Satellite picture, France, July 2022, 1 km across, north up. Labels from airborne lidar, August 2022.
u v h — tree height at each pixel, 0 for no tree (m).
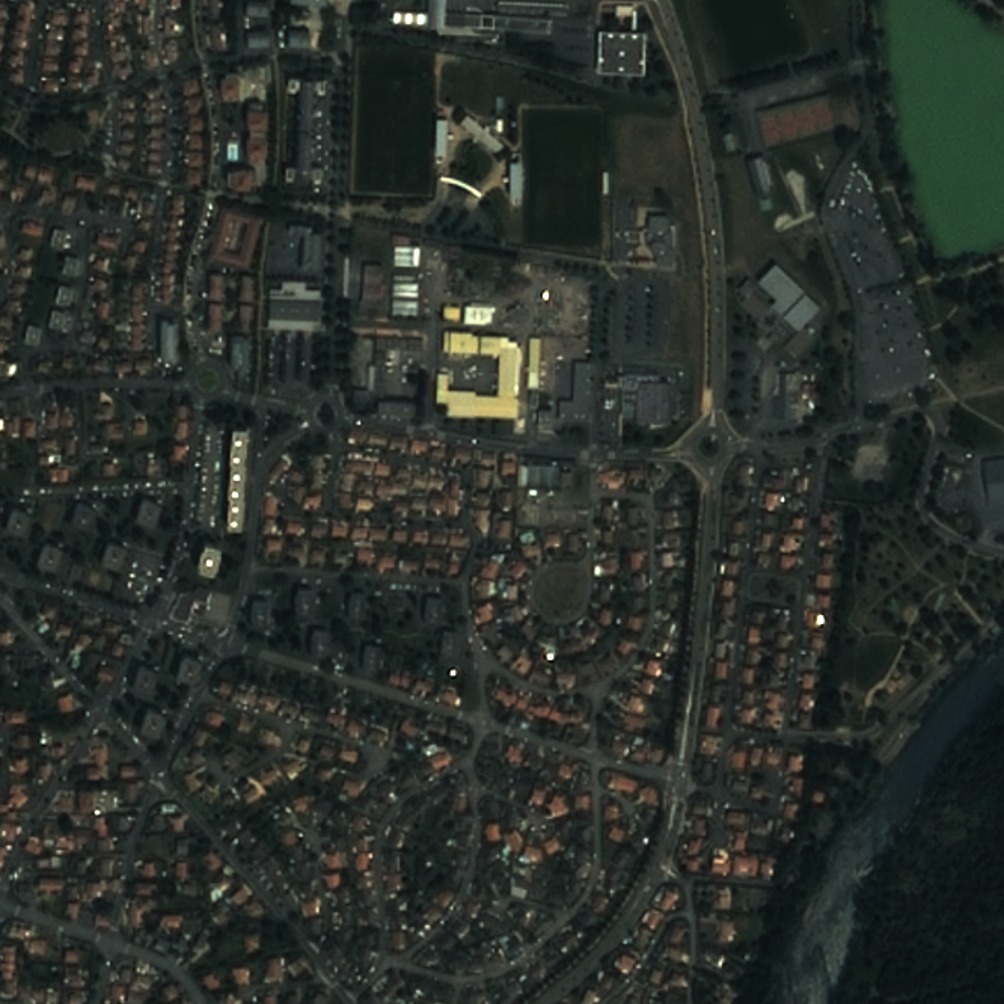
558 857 7
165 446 9
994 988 13
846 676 0
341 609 0
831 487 8
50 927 0
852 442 8
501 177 0
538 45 10
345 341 9
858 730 0
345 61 13
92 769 0
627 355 0
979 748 15
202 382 0
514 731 0
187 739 12
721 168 0
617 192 0
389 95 0
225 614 0
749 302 0
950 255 0
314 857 9
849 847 0
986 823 8
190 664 0
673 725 7
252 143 0
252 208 9
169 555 8
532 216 0
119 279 7
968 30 0
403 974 6
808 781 15
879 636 0
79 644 0
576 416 0
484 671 0
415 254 0
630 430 10
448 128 0
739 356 9
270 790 6
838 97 0
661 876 0
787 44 0
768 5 0
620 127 0
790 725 8
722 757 0
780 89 0
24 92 9
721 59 0
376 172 0
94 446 0
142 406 12
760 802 8
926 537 7
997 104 0
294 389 0
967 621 8
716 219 0
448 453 8
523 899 0
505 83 0
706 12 0
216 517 0
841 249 0
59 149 0
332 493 0
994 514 0
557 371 0
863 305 0
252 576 0
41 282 6
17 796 0
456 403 0
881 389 0
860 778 17
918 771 0
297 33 0
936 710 0
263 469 0
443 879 8
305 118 0
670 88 12
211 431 0
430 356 0
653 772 0
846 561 13
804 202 0
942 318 0
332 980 0
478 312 0
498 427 7
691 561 6
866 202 0
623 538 0
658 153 0
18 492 0
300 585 0
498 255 7
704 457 0
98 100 8
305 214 6
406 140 0
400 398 0
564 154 0
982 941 7
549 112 0
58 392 12
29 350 0
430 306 0
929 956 7
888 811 0
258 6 0
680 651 6
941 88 0
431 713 0
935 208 0
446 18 0
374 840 0
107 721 0
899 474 0
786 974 0
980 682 0
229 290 7
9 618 16
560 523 0
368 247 0
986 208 0
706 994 7
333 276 12
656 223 0
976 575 8
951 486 0
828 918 0
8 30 7
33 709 9
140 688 0
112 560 0
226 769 7
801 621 0
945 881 8
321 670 9
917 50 0
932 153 0
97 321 5
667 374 0
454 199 0
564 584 0
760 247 0
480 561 7
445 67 0
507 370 0
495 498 6
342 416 0
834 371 11
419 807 0
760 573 0
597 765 0
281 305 0
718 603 6
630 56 0
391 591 0
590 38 0
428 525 8
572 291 0
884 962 7
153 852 0
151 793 0
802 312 0
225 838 6
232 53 8
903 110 0
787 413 0
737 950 6
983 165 0
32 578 16
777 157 0
